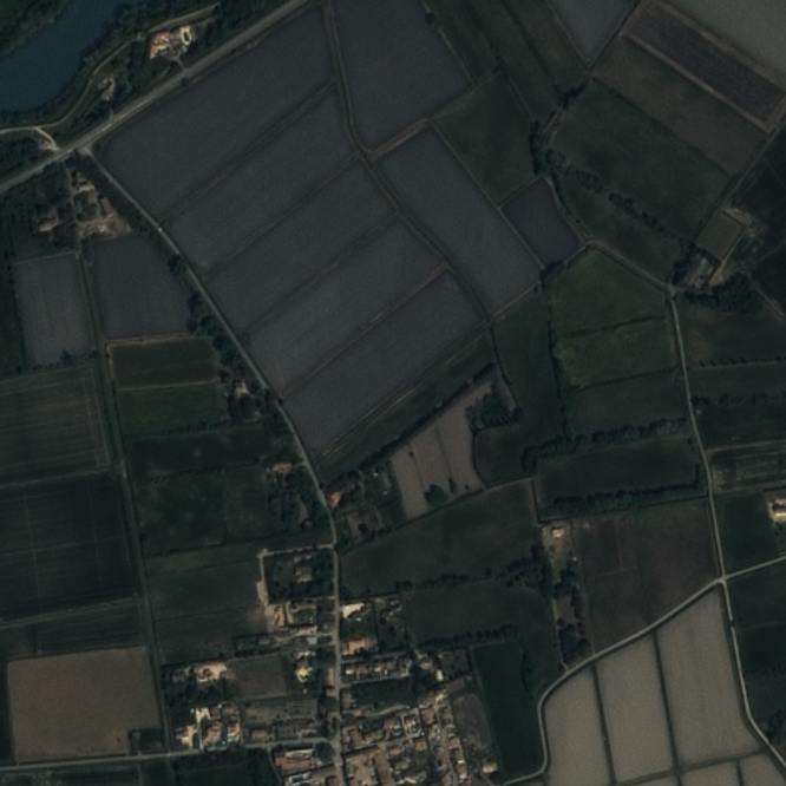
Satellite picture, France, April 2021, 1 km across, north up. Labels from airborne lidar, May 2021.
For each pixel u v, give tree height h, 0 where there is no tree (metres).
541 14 0
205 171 0
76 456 0
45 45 0
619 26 0
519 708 0
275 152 0
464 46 0
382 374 0
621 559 0
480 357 0
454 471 0
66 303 0
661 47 0
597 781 0
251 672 0
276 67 0
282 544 0
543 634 0
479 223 0
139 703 0
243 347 0
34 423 0
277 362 0
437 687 9
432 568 0
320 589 15
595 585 0
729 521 0
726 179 0
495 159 0
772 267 0
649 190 0
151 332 0
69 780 0
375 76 0
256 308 0
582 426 0
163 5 6
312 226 0
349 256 0
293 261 0
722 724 0
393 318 0
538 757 0
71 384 0
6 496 0
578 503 15
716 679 0
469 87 0
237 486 0
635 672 0
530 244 0
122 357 0
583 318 0
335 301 0
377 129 0
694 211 0
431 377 0
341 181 0
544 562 20
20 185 8
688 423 13
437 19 15
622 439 13
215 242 0
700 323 0
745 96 0
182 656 0
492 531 0
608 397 0
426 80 0
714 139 0
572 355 0
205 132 0
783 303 0
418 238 0
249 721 0
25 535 0
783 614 0
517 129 0
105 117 13
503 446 0
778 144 0
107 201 14
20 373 9
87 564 0
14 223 10
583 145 0
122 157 0
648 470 0
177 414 0
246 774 0
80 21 0
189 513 0
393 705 0
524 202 0
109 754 0
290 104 0
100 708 0
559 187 12
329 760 21
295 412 0
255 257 0
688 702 0
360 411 0
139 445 0
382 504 0
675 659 0
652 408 0
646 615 0
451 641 8
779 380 0
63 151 0
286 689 0
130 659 0
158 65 5
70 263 0
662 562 0
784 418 0
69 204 9
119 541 0
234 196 0
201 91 0
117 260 0
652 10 0
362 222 0
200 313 23
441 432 0
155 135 0
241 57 0
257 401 8
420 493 0
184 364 0
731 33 0
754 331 0
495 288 0
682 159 0
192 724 0
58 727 0
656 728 0
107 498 0
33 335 0
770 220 0
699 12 0
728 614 0
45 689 0
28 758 0
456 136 0
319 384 0
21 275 0
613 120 0
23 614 0
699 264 16
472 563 0
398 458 0
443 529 0
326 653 9
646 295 0
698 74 0
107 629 0
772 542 0
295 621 6
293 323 0
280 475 5
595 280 0
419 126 0
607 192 14
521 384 0
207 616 0
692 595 0
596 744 0
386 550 0
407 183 0
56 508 0
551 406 0
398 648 6
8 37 8
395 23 0
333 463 0
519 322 0
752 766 0
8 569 0
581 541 0
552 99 0
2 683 0
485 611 0
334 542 0
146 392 0
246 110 0
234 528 0
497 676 0
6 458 0
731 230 0
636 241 0
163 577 0
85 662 0
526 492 0
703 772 0
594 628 0
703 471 10
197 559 0
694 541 0
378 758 0
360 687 10
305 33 0
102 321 0
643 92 0
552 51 0
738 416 0
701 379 0
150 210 0
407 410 0
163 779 0
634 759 0
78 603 0
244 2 13
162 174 0
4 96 0
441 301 0
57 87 0
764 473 0
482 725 0
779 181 0
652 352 0
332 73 0
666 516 0
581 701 0
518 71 0
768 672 9
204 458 0
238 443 0
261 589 0
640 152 0
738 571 0
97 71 0
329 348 0
